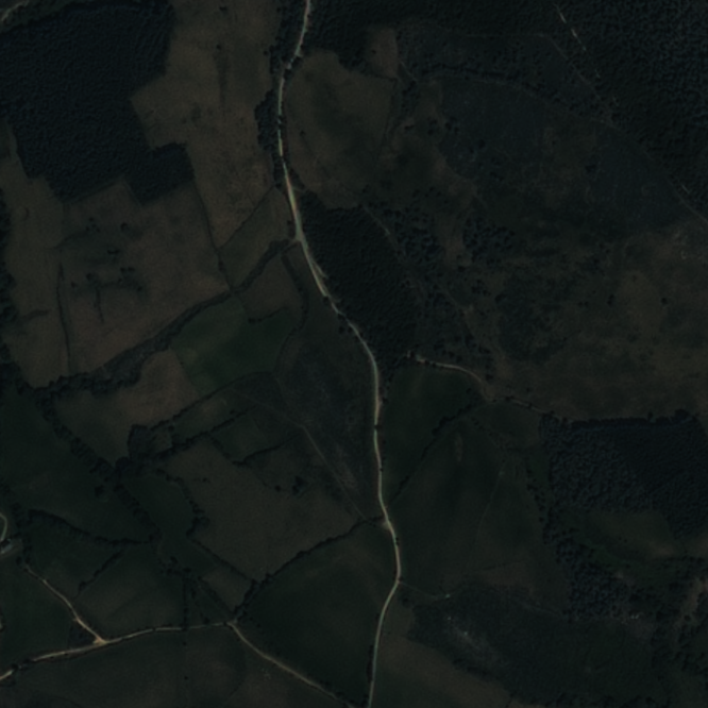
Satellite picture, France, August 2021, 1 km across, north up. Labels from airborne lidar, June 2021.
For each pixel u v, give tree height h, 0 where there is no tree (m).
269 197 0
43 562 0
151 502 0
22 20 13
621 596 7
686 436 20
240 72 0
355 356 0
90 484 0
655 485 23
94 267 0
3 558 0
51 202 0
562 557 12
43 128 22
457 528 0
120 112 18
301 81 0
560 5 5
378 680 0
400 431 0
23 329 0
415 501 0
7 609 0
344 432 0
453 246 0
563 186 0
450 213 0
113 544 8
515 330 0
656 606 17
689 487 31
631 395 0
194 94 0
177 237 0
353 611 0
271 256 0
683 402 0
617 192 0
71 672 0
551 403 0
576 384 0
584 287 0
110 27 18
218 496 0
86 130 20
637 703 13
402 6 9
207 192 0
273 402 0
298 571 0
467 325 0
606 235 0
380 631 0
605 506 13
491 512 0
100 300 0
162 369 0
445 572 0
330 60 0
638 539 0
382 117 0
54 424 15
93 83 18
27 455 0
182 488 7
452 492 0
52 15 9
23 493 0
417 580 0
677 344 0
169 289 0
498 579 0
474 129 0
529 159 0
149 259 0
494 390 0
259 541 0
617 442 19
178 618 0
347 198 0
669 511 27
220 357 0
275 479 0
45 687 0
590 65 9
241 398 0
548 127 0
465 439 0
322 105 0
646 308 0
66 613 0
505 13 12
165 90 0
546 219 0
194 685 0
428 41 0
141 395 0
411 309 10
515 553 0
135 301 0
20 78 15
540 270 0
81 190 18
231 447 0
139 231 0
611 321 0
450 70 9
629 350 0
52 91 20
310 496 0
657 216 0
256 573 0
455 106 0
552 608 0
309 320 0
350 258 10
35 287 0
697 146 6
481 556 0
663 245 0
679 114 12
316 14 8
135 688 0
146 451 7
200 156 0
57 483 0
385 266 10
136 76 15
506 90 0
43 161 25
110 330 0
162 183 18
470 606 0
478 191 0
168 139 0
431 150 0
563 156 0
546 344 0
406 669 0
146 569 0
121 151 20
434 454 0
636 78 11
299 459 0
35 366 0
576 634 0
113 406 0
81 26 18
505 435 0
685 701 0
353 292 10
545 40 0
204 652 0
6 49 19
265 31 0
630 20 9
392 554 0
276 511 0
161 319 0
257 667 0
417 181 0
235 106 0
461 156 0
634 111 11
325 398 0
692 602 0
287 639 0
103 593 0
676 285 0
